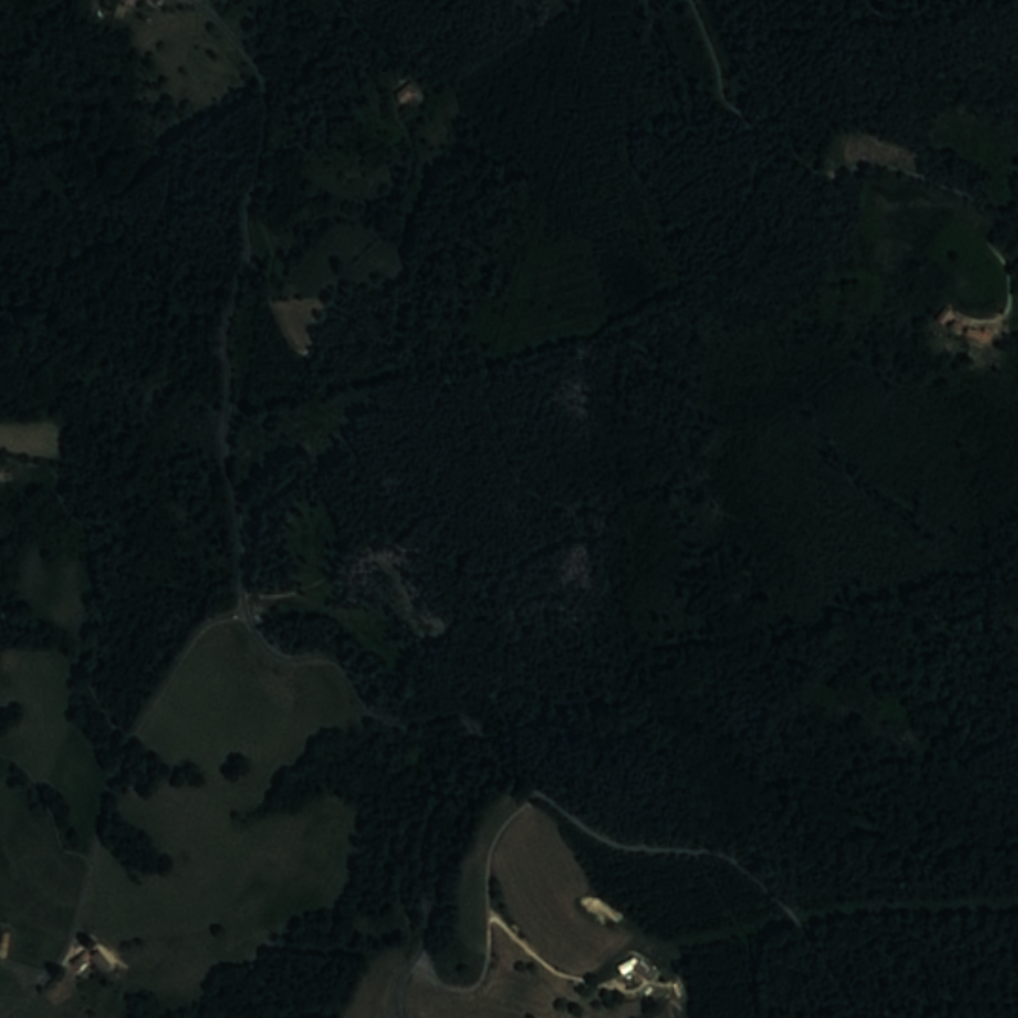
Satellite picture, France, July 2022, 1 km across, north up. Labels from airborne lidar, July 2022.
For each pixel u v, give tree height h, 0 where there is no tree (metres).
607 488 25
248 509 12
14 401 24
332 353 18
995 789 28
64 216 12
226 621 0
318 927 21
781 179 24
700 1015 10
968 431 6
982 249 0
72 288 14
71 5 15
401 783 18
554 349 21
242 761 18
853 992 24
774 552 7
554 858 0
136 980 0
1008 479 5
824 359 7
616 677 10
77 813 0
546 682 20
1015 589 27
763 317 25
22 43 8
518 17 23
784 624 12
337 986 33
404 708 14
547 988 0
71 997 0
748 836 23
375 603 36
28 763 0
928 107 23
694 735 27
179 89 0
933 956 18
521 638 18
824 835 18
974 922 15
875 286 0
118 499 17
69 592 0
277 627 18
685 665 27
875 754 22
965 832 17
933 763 19
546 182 8
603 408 22
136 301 12
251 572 27
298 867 0
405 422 23
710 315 18
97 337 14
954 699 23
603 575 20
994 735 22
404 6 26
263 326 8
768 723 35
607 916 0
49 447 0
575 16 7
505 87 9
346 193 0
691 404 28
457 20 25
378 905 16
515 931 0
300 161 11
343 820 0
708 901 7
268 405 6
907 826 23
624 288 9
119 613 13
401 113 7
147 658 8
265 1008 27
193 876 0
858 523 7
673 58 23
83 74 19
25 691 0
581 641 15
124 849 18
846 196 23
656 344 17
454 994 0
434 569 18
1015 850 24
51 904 0
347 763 15
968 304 0
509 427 22
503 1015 0
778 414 8
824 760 21
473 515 26
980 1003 12
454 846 20
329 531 0
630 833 22
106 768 17
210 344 24
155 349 12
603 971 0
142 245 8
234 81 0
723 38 8
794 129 26
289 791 26
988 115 21
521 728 24
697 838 25
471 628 14
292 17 13
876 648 27
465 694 14
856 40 27
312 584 0
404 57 22
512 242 14
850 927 18
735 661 29
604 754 24
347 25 20
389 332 6
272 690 0
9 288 25
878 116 31
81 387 12
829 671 21
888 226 0
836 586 7
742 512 7
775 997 20
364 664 19
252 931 0
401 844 20
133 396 12
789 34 24
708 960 13
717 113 20
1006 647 26
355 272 0
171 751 0
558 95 10
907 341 5
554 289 0
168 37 0
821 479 6
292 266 24
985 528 9
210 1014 20
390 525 23
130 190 23
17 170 27
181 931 0
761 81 26
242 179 26
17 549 7
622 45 8
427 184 6
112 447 22
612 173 7
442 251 20
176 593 7
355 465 21
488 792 21
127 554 23
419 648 19
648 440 20
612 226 6
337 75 16
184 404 7
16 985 0
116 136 10
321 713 0
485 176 9
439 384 21
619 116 6
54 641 18
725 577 22
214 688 0
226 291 13
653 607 0
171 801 0
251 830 0
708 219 16
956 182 19
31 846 0
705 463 21
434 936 18
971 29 26
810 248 27
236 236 23
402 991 0
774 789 24
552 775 23
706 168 20
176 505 8
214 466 8
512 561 22
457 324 23
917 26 21
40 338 29
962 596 22
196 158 36
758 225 26
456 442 26
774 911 8
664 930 6
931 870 7
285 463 32
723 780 27
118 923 0
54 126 8
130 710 7
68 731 0
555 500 18
